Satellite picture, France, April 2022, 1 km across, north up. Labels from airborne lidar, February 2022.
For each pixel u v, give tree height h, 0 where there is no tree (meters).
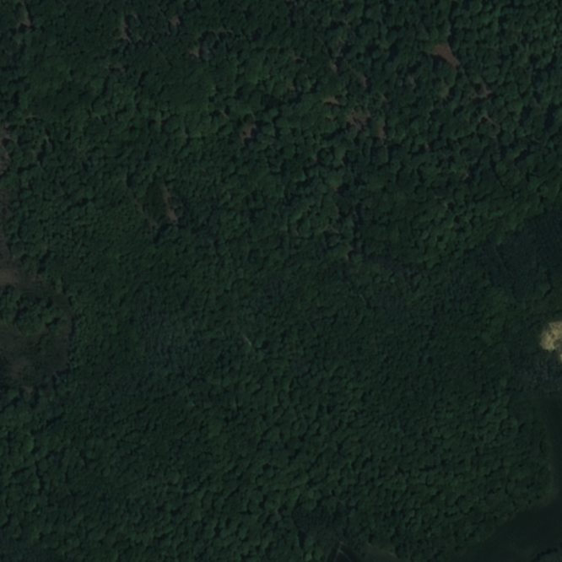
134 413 21
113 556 31
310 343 25
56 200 27
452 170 36
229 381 33
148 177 26
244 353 34
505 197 30
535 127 32
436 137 31
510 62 25
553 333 0
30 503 32
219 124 34
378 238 22
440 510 32
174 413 28
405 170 32
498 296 34
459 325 29
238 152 31
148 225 11
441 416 28
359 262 25
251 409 33
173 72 30
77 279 26
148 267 28
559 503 0
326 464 34
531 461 27
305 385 34
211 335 29
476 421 32
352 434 30
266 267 29
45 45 24
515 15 35
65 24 24
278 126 34
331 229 33
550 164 34
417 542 23
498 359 24
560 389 14
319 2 38
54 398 25
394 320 19
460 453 32
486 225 32
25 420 33
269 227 28
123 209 25
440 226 32
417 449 31
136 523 36
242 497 34
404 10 30
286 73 32
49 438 29
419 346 23
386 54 11
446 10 39
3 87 29
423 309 22
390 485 30
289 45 30
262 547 35
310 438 34
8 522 17
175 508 35
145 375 19
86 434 26
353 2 42
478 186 33
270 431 37
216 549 33
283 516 28
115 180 30
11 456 34
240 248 22
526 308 25
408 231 32
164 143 20
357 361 24
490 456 35
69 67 28
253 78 37
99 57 25
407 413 25
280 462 39
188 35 30
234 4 29
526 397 18
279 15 30
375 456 35
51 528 31
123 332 29
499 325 30
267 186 33
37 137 31
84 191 28
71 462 34
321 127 39
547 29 35
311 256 25
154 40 28
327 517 37
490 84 27
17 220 12
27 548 38
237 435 32
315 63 27
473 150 29
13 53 28
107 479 33
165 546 34
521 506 23
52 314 21
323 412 11
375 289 17
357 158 32
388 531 16
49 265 27
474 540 19
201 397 20
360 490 28
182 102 33
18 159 24
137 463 29
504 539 0
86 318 21
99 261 32
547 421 0
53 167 32
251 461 33
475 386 24
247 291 24
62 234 31
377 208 29
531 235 23
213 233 25
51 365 0
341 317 26
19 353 0
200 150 22
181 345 26
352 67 22
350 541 25
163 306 31
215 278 27
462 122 28
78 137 34
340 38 33
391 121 26
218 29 31
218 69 32
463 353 28
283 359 35
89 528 32
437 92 31
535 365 16
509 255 33
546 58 33
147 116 30
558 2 11
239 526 35
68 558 28
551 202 33
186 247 31
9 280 0
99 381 26
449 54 0
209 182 26
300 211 29
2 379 7
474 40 36
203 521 36
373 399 22
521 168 32
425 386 25
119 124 29
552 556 21
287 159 34
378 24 38
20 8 16
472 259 32
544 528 0
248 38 27
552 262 34
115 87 32
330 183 36
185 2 28
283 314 22
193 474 30
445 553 18
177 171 24
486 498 31
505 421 30
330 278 21
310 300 21
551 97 36
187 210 24
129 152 24
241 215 14
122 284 30
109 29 27
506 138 27
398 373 27
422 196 34
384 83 28
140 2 29
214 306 31
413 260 26
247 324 28
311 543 31
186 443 30
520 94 35
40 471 34
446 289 16
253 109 37
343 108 12
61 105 34
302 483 37
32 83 29
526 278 37
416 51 35
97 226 24
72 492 29
